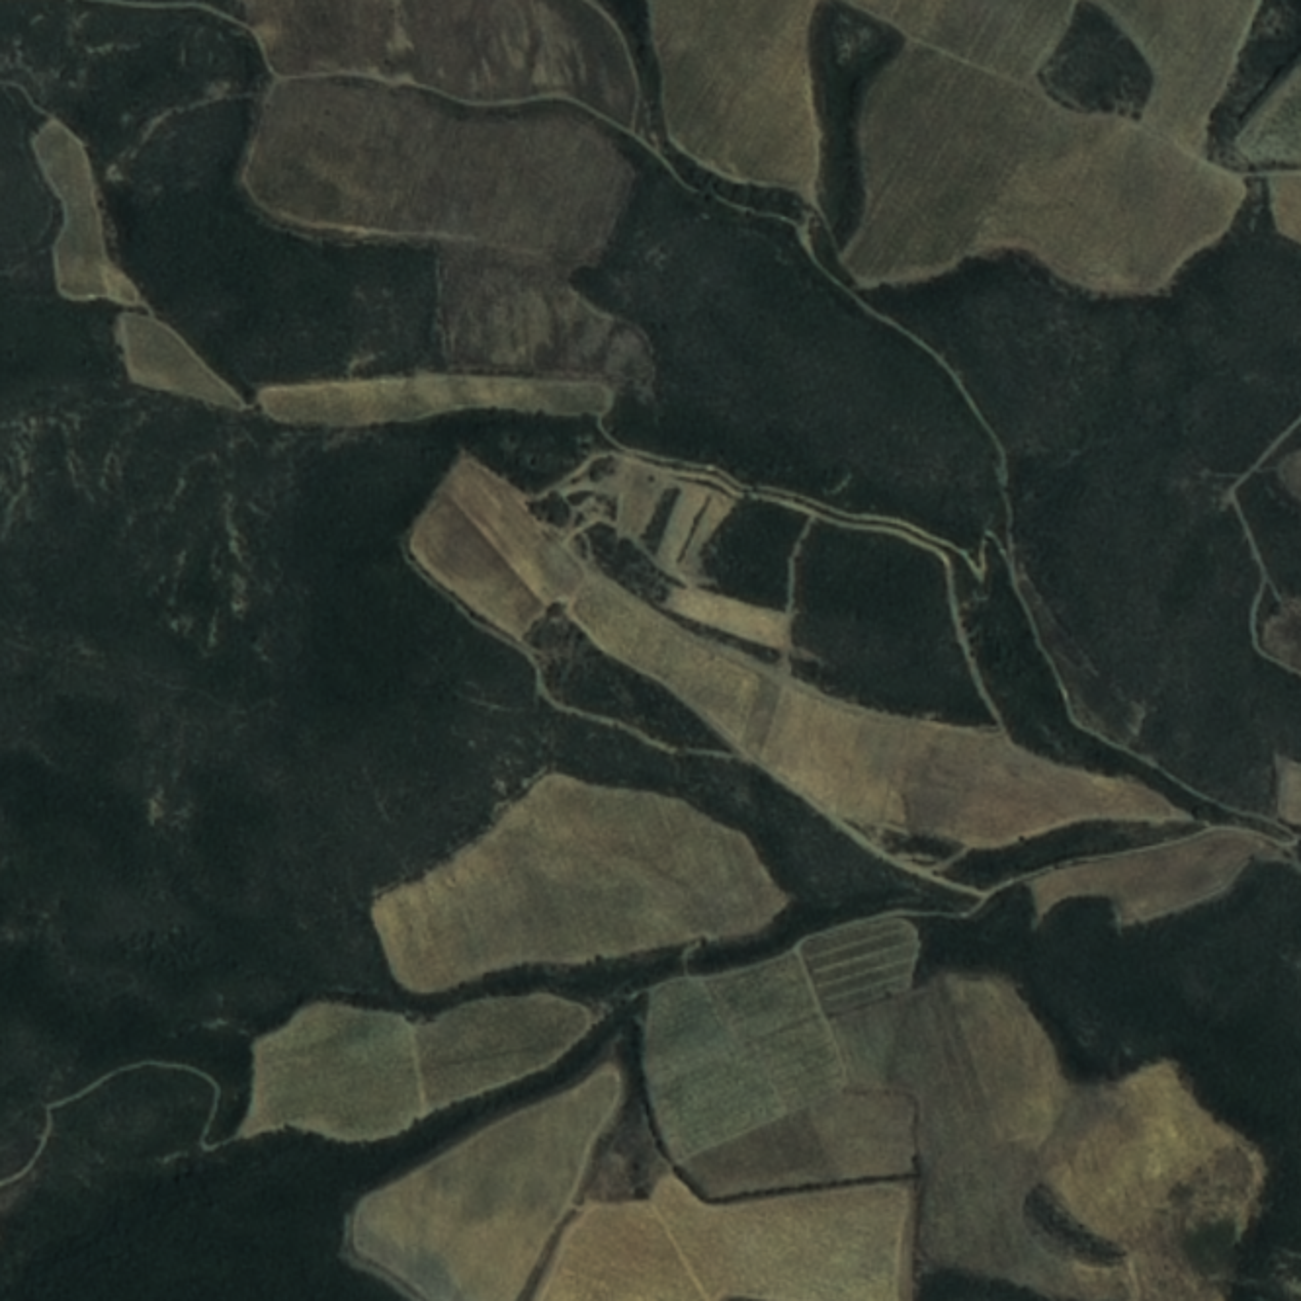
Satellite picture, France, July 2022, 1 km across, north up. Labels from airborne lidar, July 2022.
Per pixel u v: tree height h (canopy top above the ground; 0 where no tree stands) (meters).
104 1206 8
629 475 0
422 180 0
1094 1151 0
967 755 0
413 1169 0
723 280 0
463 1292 0
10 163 0
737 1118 0
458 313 0
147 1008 6
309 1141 6
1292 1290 0
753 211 5
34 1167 0
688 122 0
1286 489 0
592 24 0
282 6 0
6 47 0
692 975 0
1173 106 0
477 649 6
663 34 0
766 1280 0
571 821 0
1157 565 0
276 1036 0
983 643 10
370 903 0
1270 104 0
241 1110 7
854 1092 0
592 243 0
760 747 0
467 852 0
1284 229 0
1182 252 0
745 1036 0
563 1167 0
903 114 0
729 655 0
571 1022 0
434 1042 0
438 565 0
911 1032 0
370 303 0
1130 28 0
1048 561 6
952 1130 0
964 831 0
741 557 6
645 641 0
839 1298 0
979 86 0
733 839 0
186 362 0
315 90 0
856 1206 0
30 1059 0
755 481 7
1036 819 0
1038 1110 0
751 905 0
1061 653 0
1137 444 0
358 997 8
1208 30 0
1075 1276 0
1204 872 0
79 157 0
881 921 0
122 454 0
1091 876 0
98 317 0
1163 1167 0
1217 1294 0
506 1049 0
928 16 0
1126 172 0
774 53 0
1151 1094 0
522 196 0
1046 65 0
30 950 7
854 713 0
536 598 0
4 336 0
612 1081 0
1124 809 0
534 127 0
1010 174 0
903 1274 0
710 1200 7
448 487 0
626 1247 0
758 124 0
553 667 6
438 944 0
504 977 6
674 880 0
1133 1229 0
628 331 0
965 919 6
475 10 0
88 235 0
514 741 0
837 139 0
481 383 0
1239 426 0
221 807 5
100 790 5
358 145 0
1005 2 0
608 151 0
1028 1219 0
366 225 0
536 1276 0
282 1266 6
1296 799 0
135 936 9
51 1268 6
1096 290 0
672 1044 0
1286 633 0
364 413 0
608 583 0
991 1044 0
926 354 5
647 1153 0
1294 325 0
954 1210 0
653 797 0
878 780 0
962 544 7
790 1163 0
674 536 0
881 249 0
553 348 0
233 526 0
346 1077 0
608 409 0
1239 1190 0
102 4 0
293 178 0
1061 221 0
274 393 0
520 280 0
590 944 0
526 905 0
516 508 0
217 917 6
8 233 0
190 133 0
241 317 6
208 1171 7
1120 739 0
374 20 0
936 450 0
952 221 0
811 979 0
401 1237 0
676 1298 0
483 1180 0
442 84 0
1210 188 0
